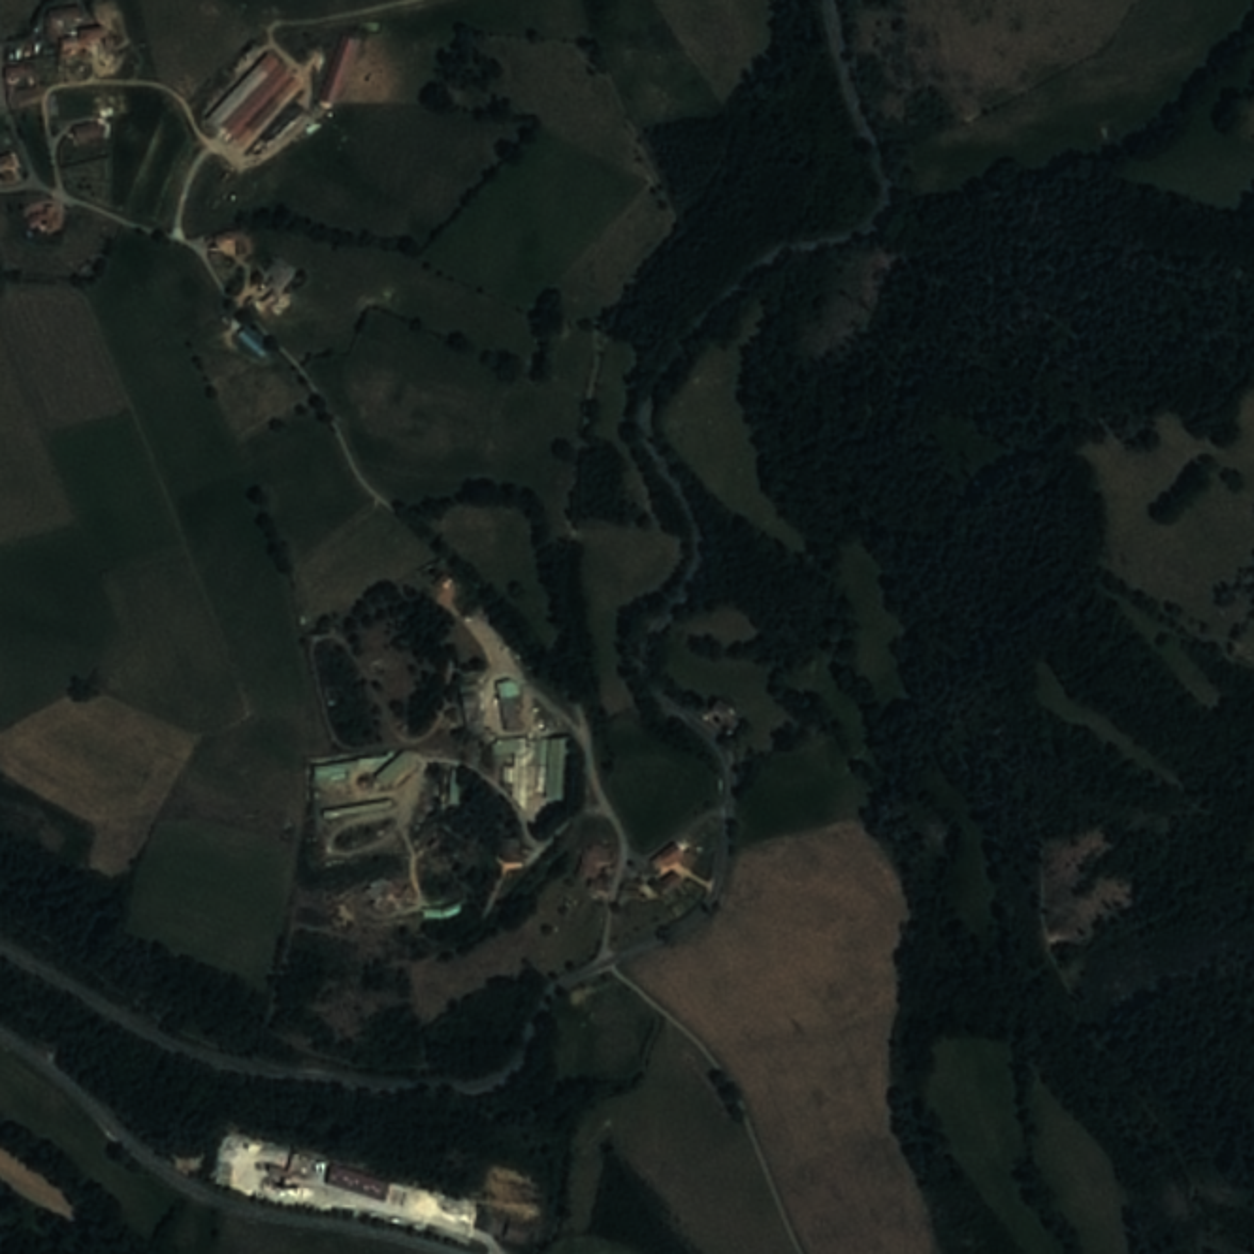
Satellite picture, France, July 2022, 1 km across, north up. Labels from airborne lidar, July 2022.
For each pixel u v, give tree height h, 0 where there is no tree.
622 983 0
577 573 11
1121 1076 17
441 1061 13
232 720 0
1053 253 16
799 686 0
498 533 0
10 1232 13
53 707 0
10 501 0
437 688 11
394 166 0
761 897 0
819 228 8
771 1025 0
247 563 0
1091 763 9
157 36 0
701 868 0
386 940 0
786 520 18
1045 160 0
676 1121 0
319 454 0
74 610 0
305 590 0
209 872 0
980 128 0
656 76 0
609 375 0
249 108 0
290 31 0
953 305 19
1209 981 11
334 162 0
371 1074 10
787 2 25
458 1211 0
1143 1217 12
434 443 0
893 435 22
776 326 20
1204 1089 17
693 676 0
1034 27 0
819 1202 0
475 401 0
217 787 0
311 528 0
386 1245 0
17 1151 20
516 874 0
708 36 0
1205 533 0
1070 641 14
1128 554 0
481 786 15
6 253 0
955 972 16
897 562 26
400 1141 18
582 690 17
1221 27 0
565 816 18
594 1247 0
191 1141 12
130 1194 0
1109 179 17
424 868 0
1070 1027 16
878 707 18
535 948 0
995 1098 0
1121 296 21
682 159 14
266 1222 0
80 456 0
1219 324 22
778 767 0
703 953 0
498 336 0
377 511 0
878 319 6
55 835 0
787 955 0
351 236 9
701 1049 0
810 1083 0
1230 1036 16
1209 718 16
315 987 9
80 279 13
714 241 14
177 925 0
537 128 13
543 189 0
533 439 0
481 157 0
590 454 11
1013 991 23
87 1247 26
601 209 0
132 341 0
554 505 0
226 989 16
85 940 10
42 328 0
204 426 0
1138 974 0
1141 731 19
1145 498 0
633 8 0
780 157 10
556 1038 17
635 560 0
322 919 0
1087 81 0
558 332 12
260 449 0
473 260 0
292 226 20
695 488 18
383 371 0
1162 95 0
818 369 17
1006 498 24
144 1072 13
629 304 7
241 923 0
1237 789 7
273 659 0
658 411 11
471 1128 17
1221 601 12
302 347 0
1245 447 0
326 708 0
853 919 0
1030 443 22
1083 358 12
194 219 0
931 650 15
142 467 0
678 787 0
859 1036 0
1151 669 10
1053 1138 0
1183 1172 7
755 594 17
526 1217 0
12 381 0
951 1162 17
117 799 0
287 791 0
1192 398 16
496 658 0
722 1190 0
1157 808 8
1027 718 14
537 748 0
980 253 24
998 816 21
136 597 0
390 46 0
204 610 0
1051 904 0
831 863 0
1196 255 8
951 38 0
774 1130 0
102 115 0
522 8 0
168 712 0
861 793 0
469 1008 9
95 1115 0
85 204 0
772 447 19
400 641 7
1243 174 0
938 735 25
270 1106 9
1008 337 11
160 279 0
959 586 25
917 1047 21
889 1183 0
